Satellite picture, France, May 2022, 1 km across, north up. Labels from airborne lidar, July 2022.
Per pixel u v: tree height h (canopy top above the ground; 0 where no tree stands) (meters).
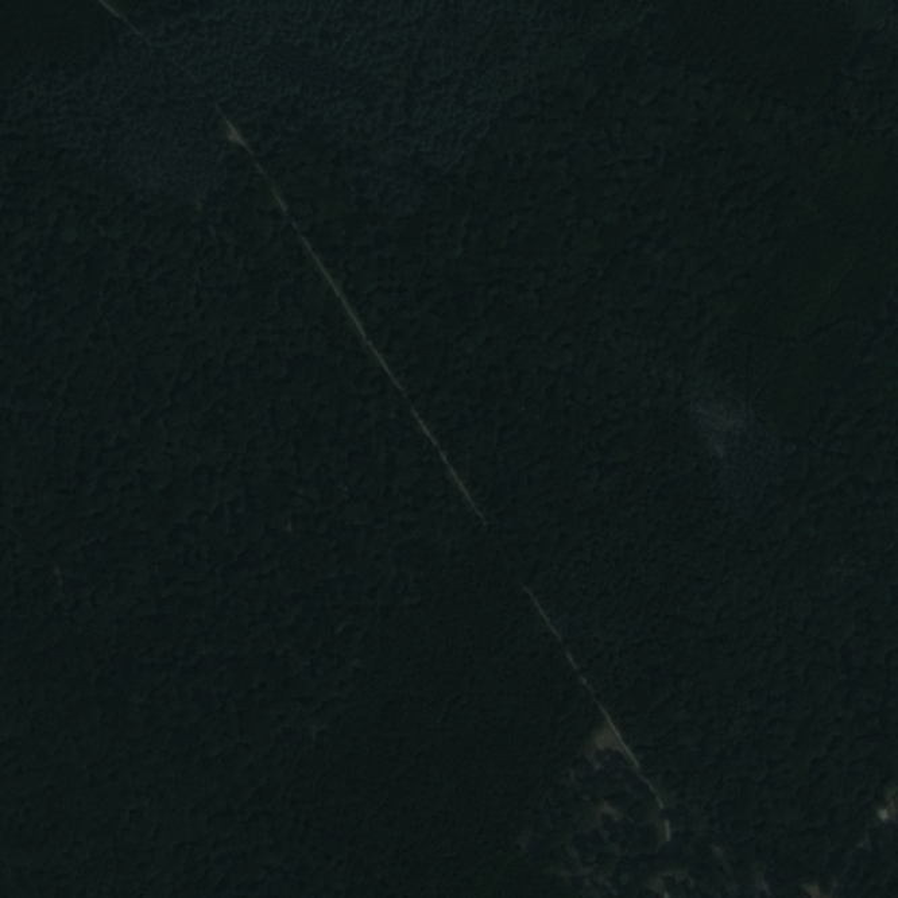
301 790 23
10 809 27
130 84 24
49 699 31
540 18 21
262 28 35
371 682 18
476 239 31
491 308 29
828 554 22
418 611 21
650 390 28
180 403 33
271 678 28
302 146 31
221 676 34
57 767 34
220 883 9
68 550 30
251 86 34
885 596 30
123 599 28
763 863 27
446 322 24
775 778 29
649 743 16
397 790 22
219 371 25
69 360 29
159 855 27
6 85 8
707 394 18
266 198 27
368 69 34
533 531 26
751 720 24
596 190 30
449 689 20
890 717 31
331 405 25
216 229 27
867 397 28
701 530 27
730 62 15
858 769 31
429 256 32
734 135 32
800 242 10
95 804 29
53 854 30
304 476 29
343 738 20
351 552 29
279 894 29
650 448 25
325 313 30
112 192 22
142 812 27
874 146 7
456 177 24
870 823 28
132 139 24
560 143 33
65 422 27
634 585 25
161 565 30
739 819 24
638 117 31
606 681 22
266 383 31
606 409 29
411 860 19
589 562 24
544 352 27
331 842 30
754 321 10
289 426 32
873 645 29
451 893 18
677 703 26
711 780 27
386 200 27
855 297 7
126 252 13
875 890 29
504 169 28
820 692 32
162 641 30
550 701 24
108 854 24
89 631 32
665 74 31
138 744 28
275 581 34
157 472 31
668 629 25
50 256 29
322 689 28
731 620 25
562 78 29
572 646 22
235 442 27
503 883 10
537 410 28
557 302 29
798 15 16
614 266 32
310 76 25
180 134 25
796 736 32
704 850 29
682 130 30
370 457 32
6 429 27
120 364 26
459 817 20
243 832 28
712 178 28
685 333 21
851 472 25
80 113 25
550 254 29
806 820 26
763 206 20
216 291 26
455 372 23
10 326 21
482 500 20
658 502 25
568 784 27
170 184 24
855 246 7
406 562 31
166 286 27
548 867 28
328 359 29
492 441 26
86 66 10
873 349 25
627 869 27
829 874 31
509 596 21
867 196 6
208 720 30
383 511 23
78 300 23
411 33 35
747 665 20
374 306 29
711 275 23
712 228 21
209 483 30
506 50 24
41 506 31
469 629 20
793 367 7
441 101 31
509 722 17
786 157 30
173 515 26
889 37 19
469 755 16
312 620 29
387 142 27
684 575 22
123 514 34
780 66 12
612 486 26
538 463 30
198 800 29
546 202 29
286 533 31
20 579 24
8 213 29
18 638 24
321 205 28
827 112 9
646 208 30
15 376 25
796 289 8
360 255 29
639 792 32
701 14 13
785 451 24
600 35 20
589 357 26
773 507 18
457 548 15
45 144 25
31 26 8
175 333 9
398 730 22
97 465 24
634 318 24
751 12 14
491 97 25
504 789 17
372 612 29
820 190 6
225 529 28
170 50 33
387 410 32
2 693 28
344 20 41
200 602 31
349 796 19
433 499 30
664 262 30
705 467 23
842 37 12
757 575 25
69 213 28
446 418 31
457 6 31
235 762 33
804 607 22
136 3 7
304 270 28
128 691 29
